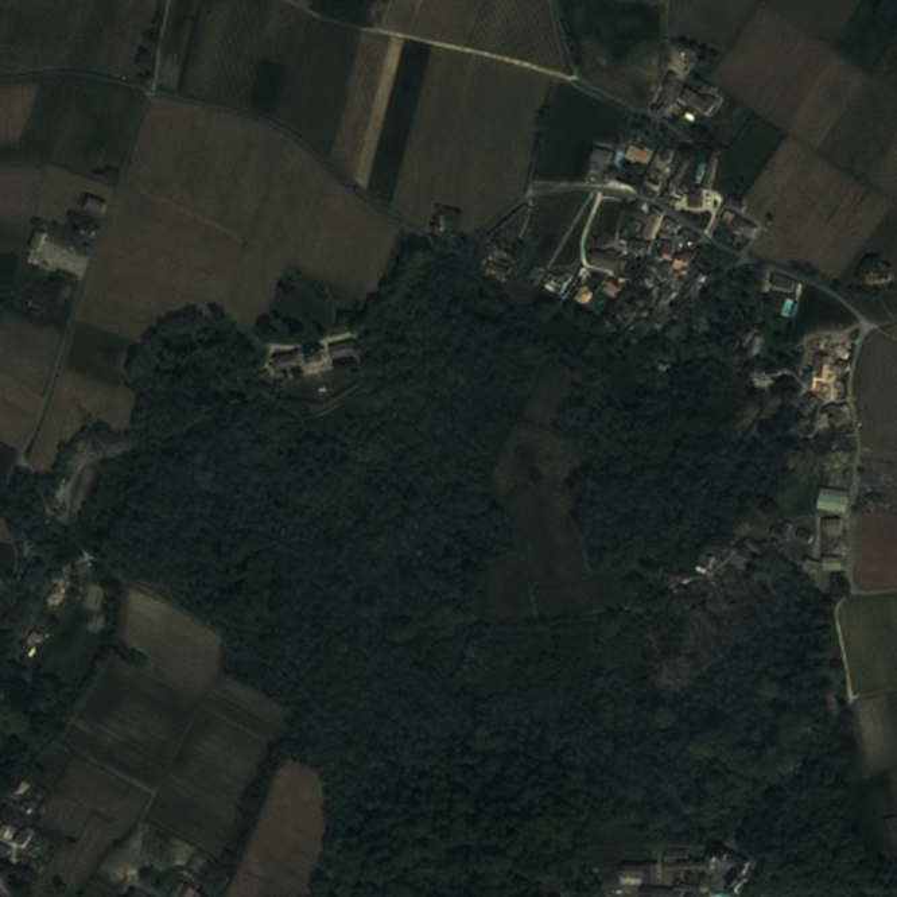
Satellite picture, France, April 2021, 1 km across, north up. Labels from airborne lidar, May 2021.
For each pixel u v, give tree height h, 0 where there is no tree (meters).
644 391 7
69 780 0
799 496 0
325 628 25
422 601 21
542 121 13
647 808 27
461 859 16
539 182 0
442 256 23
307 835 0
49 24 0
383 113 0
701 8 0
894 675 0
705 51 7
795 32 0
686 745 32
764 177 0
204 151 0
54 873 0
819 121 0
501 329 17
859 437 0
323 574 21
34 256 0
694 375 16
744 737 34
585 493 21
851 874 10
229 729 0
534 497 0
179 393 14
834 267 0
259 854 0
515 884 14
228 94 0
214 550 22
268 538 23
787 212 0
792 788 23
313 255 0
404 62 0
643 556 15
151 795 0
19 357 0
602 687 21
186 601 15
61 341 0
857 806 0
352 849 29
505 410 18
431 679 18
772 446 23
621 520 17
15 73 0
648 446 14
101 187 0
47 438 0
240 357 15
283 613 25
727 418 7
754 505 0
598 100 0
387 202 0
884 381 0
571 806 26
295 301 0
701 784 24
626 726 13
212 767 0
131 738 0
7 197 0
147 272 0
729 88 0
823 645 11
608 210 0
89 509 6
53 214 0
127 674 0
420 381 21
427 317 24
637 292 7
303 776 0
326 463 15
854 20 0
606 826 21
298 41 0
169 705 0
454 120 0
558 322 11
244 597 27
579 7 0
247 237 0
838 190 0
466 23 0
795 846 13
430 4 0
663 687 13
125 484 11
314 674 22
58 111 0
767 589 18
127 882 0
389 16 0
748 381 15
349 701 22
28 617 18
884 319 0
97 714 0
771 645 20
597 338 22
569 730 21
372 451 20
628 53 0
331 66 0
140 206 0
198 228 0
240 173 0
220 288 0
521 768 27
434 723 32
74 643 0
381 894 23
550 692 12
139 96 0
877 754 0
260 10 0
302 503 9
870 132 0
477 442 18
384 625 20
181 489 24
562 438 15
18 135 0
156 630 0
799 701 23
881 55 0
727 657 19
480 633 10
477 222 0
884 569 0
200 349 32
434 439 19
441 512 23
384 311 15
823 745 11
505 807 30
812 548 0
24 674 11
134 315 0
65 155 0
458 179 0
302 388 0
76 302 0
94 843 0
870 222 0
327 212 0
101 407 0
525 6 0
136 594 0
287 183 0
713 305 9
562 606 0
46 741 16
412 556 22
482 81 0
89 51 0
